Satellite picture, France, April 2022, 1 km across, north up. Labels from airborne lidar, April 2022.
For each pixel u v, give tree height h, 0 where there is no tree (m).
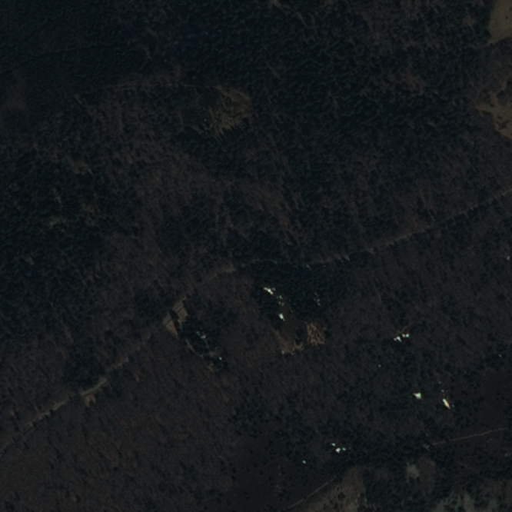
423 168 19
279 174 12
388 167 20
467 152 19
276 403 13
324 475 6
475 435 0
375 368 14
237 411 8
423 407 11
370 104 12
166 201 16
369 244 16
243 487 0
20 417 22
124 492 9
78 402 13
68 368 17
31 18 20
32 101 16
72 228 8
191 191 17
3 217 16
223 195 15
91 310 11
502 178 12
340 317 15
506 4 0
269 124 28
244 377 14
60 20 17
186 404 14
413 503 10
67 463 14
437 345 12
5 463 14
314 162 11
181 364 12
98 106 24
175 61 22
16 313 14
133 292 14
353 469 10
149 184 17
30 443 11
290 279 20
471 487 10
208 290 16
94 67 19
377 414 13
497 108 0
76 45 20
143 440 14
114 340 17
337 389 9
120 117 23
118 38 14
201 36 20
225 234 17
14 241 16
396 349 13
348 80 16
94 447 10
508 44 12
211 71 33
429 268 14
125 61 16
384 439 11
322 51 28
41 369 16
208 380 11
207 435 11
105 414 14
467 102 13
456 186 14
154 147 22
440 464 14
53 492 14
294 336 0
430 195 14
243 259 27
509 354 11
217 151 9
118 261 17
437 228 13
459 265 13
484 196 14
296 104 29
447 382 0
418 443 8
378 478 17
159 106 21
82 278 15
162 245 21
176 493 12
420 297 9
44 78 19
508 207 12
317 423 12
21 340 28
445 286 13
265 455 0
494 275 15
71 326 19
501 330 11
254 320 16
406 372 13
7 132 15
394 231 13
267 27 27
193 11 23
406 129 19
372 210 17
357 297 13
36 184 13
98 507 14
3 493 13
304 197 16
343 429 18
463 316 14
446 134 18
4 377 18
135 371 10
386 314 16
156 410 14
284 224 8
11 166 27
